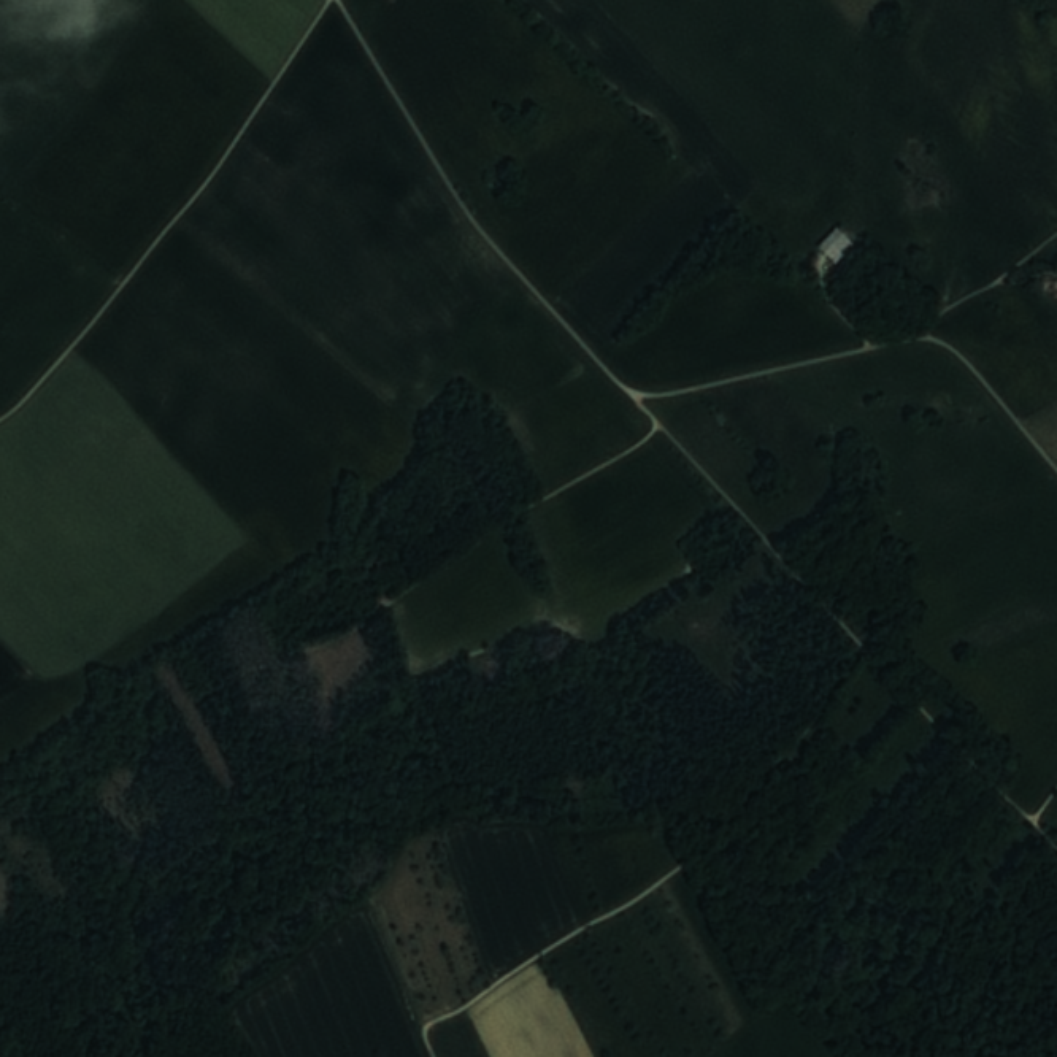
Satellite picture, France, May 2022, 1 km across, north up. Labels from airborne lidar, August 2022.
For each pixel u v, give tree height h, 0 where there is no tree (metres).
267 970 13
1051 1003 15
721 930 22
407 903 0
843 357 0
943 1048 21
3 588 0
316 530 0
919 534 0
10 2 0
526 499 20
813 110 0
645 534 0
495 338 0
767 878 26
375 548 10
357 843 27
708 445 0
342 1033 0
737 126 0
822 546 21
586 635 0
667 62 0
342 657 0
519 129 16
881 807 22
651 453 0
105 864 23
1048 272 7
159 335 0
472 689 28
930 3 0
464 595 0
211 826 29
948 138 0
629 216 0
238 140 0
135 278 0
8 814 7
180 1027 17
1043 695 0
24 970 17
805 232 0
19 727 0
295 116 0
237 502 0
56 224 0
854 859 26
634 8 0
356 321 0
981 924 12
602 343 0
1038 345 0
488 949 0
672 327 0
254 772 24
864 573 22
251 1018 0
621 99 13
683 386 0
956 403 0
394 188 0
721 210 0
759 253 19
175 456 0
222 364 0
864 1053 25
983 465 0
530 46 0
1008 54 0
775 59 0
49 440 0
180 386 0
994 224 0
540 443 0
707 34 0
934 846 31
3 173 0
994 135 0
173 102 0
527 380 0
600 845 0
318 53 0
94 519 0
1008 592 0
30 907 15
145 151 0
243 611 18
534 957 0
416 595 0
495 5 0
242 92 0
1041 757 0
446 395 8
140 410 0
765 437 0
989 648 0
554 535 0
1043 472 0
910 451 0
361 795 25
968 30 0
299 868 21
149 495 0
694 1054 8
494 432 22
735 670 0
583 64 14
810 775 17
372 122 0
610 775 22
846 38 0
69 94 0
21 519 0
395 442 0
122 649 0
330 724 24
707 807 23
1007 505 0
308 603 10
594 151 0
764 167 0
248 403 0
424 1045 0
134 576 0
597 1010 0
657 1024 0
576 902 0
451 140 0
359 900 9
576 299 0
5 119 0
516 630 0
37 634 0
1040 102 0
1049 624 0
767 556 0
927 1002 23
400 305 0
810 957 34
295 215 0
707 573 11
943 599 0
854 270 16
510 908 0
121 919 24
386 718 24
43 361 0
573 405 0
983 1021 24
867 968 28
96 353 0
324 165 0
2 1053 23
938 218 0
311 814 24
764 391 0
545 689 25
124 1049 21
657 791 26
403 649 10
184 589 0
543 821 18
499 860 0
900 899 30
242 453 0
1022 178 0
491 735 17
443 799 27
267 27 0
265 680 0
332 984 0
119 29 0
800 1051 0
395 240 0
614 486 0
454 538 27
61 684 0
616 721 20
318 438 0
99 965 26
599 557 0
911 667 22
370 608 9
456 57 0
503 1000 0
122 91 0
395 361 0
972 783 27
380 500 15
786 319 0
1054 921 16
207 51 0
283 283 0
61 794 24
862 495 22
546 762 21
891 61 0
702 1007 0
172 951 25
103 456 0
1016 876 25
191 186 0
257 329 0
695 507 0
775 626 16
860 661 16
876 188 0
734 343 0
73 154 0
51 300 0
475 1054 0
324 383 0
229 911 6
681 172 0
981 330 0
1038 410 0
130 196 0
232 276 0
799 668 13
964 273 0
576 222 0
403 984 0
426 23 0
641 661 27
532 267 0
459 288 0
